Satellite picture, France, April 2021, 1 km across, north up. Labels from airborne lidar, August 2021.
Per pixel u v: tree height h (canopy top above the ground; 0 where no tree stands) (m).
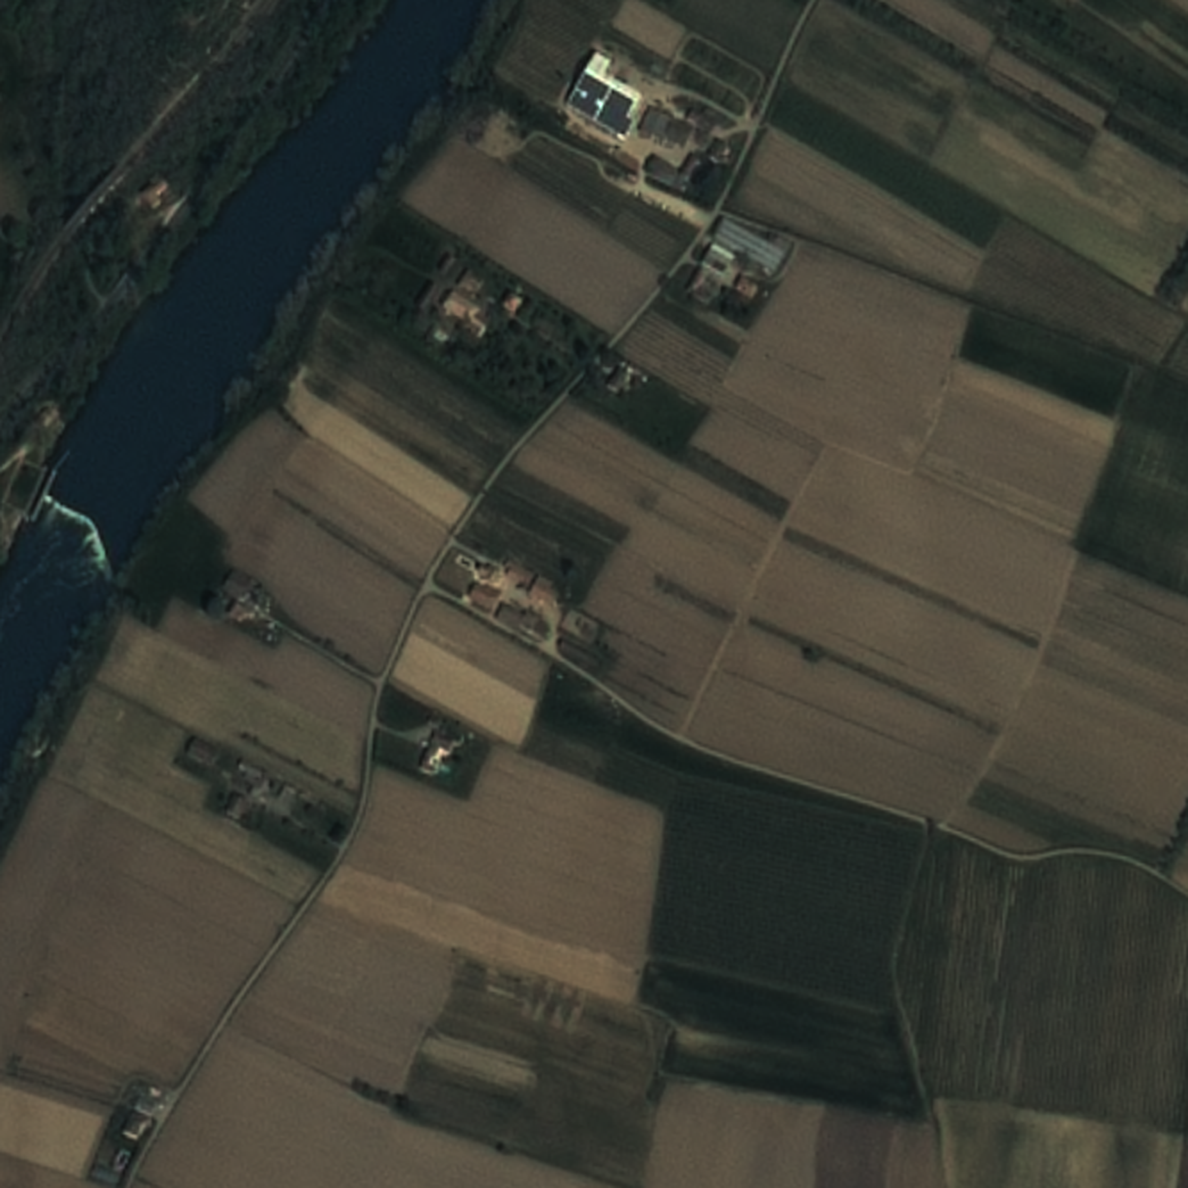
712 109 0
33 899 0
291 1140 0
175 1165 0
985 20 0
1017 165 0
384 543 0
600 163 0
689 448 0
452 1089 0
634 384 8
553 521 0
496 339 8
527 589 11
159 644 0
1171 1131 0
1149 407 0
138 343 0
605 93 0
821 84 0
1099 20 0
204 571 0
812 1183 0
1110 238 0
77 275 9
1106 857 0
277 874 0
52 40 13
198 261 0
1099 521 0
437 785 0
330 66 9
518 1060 0
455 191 0
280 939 0
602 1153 0
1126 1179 0
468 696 0
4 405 20
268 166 0
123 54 15
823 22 0
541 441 0
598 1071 0
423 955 0
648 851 0
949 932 0
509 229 0
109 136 22
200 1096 0
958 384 0
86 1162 0
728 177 14
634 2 0
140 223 24
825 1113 0
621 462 0
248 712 0
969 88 0
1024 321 0
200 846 0
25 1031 0
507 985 0
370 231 18
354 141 0
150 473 0
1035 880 0
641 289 0
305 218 0
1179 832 10
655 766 0
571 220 0
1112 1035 0
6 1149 0
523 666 0
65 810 0
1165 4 0
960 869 0
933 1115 0
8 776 11
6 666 0
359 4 31
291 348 19
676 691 0
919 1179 0
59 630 0
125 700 0
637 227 0
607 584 0
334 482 0
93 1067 0
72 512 0
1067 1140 0
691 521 0
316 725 0
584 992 0
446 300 0
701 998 0
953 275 0
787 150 0
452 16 0
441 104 9
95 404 0
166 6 9
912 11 0
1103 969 0
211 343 0
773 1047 0
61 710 15
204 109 20
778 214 0
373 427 0
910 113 0
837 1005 0
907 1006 0
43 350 22
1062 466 0
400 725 0
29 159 22
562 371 6
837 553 0
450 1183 0
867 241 0
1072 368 0
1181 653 0
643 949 0
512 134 0
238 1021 0
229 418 9
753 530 0
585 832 0
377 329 0
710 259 0
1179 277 14
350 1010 0
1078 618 0
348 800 0
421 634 0
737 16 0
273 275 0
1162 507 0
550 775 0
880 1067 0
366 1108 0
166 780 0
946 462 0
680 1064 0
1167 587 0
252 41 10
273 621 0
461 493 0
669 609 0
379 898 0
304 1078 0
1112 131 7
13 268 13
